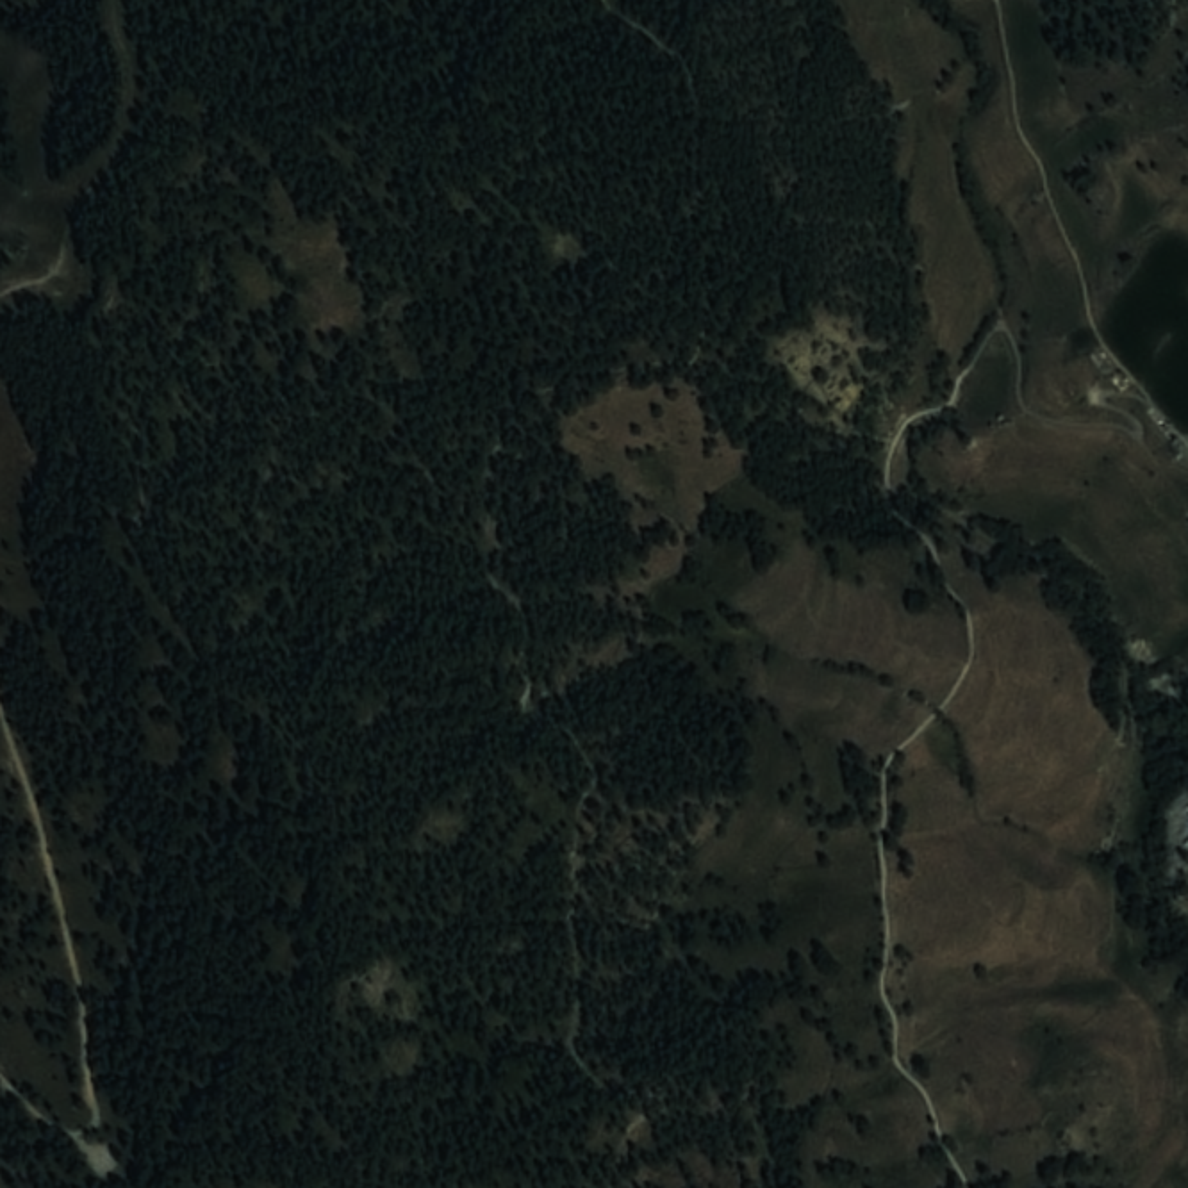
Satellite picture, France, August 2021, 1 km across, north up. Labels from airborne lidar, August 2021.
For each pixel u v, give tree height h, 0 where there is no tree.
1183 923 10
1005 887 0
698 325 18
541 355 16
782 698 0
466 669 9
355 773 10
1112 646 9
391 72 23
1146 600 0
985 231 7
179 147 20
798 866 0
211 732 19
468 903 12
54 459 23
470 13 18
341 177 21
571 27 15
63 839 9
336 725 10
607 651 0
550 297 17
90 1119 0
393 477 14
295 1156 19
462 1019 24
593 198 17
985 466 0
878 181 9
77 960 0
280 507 20
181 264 22
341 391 23
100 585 24
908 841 0
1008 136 0
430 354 21
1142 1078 0
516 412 10
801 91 13
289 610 17
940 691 0
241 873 26
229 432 23
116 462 19
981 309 0
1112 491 0
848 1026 0
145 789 20
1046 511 0
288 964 0
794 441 21
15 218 0
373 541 18
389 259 22
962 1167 0
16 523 0
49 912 12
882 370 19
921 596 12
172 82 18
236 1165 21
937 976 0
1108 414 0
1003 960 0
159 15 25
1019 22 0
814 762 0
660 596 0
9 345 23
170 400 27
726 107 20
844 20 10
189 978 18
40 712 13
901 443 0
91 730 14
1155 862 14
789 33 7
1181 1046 0
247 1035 28
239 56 10
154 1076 24
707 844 0
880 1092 0
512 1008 26
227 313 16
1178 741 7
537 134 20
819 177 15
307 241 0
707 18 11
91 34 20
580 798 26
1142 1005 0
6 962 16
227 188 10
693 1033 13
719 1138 19
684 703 20
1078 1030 0
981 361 0
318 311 0
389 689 21
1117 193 0
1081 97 0
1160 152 0
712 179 21
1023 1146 0
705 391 20
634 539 13
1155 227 0
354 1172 18
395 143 21
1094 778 0
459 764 8
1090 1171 11
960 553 0
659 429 0
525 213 18
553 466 22
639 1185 0
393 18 21
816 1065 0
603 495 21
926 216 0
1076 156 0
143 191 19
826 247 11
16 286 0
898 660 0
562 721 15
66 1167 18
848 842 0
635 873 16
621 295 21
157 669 0
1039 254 0
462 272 18
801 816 0
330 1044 13
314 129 23
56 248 0
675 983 17
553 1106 26
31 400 23
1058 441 0
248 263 0
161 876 23
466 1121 19
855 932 0
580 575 20
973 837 0
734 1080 18
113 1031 11
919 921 0
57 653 0
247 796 22
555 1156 10
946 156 0
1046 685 0
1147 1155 0
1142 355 0
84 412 19
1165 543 0
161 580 21
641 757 14
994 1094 0
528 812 26
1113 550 0
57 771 16
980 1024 0
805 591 0
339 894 17
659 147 19
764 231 17
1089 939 0
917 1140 0
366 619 17
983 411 0
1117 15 8
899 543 14
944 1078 0
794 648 0
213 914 23
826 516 16
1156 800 10
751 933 19
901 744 0
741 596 0
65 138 22
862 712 0
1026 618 0
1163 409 0
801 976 12
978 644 0
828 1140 0
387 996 8
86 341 22
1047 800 0
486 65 16
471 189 22
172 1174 23
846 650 0
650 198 18
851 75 10
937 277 0
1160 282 0
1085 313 0
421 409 18
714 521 15
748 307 25
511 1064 28
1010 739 0
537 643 17
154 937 19
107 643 18
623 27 22
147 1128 19
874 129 9
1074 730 0
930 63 0
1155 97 0
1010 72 0
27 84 0
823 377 20
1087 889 0
